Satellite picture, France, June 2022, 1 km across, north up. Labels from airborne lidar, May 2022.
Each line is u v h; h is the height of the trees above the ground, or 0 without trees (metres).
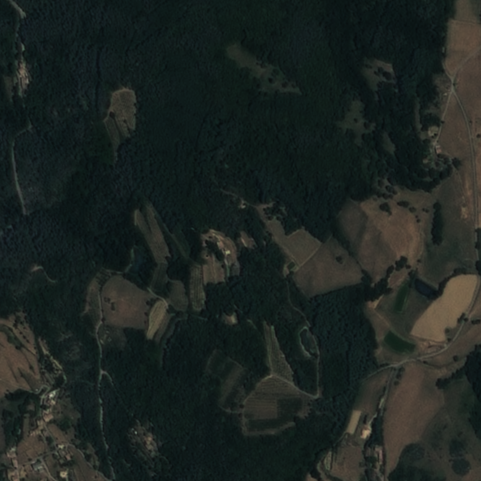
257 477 13
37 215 23
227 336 17
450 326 0
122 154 21
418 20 15
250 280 20
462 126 0
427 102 7
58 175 15
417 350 0
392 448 0
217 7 19
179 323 13
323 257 0
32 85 13
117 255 24
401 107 14
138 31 14
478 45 0
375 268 0
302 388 13
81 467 0
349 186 14
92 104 9
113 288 0
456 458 0
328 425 13
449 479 0
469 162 0
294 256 0
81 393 8
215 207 10
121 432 17
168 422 15
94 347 6
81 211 11
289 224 18
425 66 21
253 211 6
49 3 14
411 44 16
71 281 11
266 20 17
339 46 27
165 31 21
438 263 0
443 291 9
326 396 11
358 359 21
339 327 25
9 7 10
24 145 11
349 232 0
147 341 15
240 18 20
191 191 16
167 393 17
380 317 0
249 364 14
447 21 10
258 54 10
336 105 17
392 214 0
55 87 13
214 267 0
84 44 19
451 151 0
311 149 23
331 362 6
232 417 10
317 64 20
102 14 13
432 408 0
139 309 0
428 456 0
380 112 16
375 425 20
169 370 13
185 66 15
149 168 25
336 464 0
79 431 10
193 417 14
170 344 19
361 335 23
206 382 17
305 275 0
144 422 6
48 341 9
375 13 10
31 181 7
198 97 18
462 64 0
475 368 16
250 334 20
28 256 15
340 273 0
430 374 0
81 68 24
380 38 19
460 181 0
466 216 0
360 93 10
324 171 16
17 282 7
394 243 0
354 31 22
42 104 14
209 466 16
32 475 0
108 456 7
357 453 0
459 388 0
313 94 18
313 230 30
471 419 7
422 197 0
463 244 0
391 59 14
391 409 0
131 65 14
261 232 21
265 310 20
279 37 15
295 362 14
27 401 7
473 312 0
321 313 26
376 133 19
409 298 0
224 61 17
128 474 12
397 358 0
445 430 0
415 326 0
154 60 22
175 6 21
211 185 18
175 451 13
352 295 11
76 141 14
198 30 12
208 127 26
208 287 11
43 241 7
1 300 8
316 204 27
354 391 16
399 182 14
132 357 9
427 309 0
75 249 23
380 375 0
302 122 17
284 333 17
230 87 21
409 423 0
